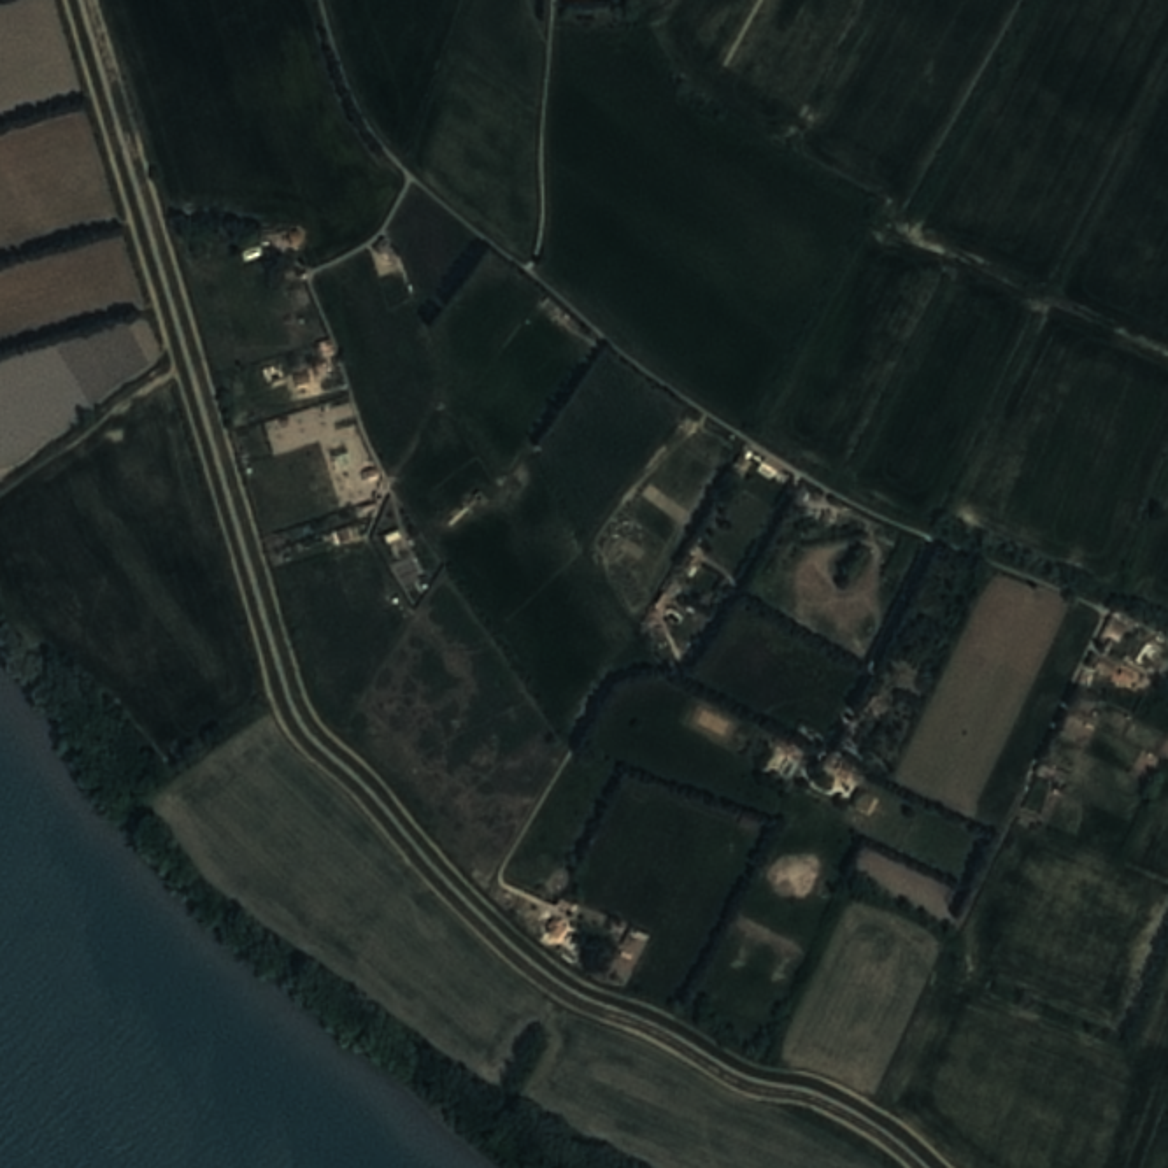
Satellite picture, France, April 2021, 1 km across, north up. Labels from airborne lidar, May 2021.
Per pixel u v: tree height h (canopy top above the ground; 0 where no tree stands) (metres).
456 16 0
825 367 0
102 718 19
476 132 0
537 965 0
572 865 11
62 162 0
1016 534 0
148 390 0
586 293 0
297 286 7
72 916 0
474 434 0
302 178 0
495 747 0
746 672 0
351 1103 0
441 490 0
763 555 10
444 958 0
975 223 0
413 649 0
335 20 0
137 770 21
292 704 0
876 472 0
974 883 14
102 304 0
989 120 0
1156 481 0
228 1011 0
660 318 0
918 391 0
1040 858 0
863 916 0
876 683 7
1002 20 0
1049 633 0
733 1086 0
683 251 0
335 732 0
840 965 0
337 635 0
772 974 0
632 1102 0
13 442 0
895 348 0
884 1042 0
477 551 0
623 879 0
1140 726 0
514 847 0
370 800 0
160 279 0
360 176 0
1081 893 0
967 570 9
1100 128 0
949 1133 0
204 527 0
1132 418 0
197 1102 0
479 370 0
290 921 0
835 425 0
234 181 0
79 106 16
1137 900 0
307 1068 0
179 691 0
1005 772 0
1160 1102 0
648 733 0
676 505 0
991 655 0
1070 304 0
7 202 0
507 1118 24
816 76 0
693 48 0
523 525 0
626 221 0
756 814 14
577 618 0
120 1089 0
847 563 12
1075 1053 0
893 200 0
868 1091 0
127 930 0
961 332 0
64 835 0
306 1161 0
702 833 0
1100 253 0
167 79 0
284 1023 0
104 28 0
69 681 21
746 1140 0
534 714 0
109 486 0
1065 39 0
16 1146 0
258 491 0
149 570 0
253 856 0
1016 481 0
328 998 23
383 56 0
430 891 0
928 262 0
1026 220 0
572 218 0
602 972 7
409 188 0
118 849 0
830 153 0
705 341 0
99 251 0
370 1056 16
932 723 0
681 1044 0
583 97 0
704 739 0
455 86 0
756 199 0
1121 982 0
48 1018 0
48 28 0
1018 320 0
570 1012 0
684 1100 0
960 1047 0
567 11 8
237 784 0
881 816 0
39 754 0
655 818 0
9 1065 0
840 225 0
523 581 0
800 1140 0
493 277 0
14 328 0
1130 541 0
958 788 0
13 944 0
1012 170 0
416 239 0
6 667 16
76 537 0
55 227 0
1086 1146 0
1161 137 0
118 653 0
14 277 0
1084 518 0
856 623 0
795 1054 0
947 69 0
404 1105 0
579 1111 0
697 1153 0
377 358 0
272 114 0
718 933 9
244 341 0
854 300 0
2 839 0
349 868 0
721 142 0
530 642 0
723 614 12
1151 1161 0
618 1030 0
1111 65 0
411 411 0
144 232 0
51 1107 0
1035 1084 0
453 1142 0
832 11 0
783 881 0
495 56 0
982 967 0
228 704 0
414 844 0
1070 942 0
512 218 0
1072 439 0
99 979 0
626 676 13
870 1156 0
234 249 8
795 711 0
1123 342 0
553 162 0
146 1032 0
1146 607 16
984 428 0
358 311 0
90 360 0
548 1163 19
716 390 0
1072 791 0
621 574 0
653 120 0
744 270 0
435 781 0
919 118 0
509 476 0
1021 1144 0
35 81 0
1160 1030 0
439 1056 17
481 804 0
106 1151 0
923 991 0
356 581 0
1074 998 0
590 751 19
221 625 0
